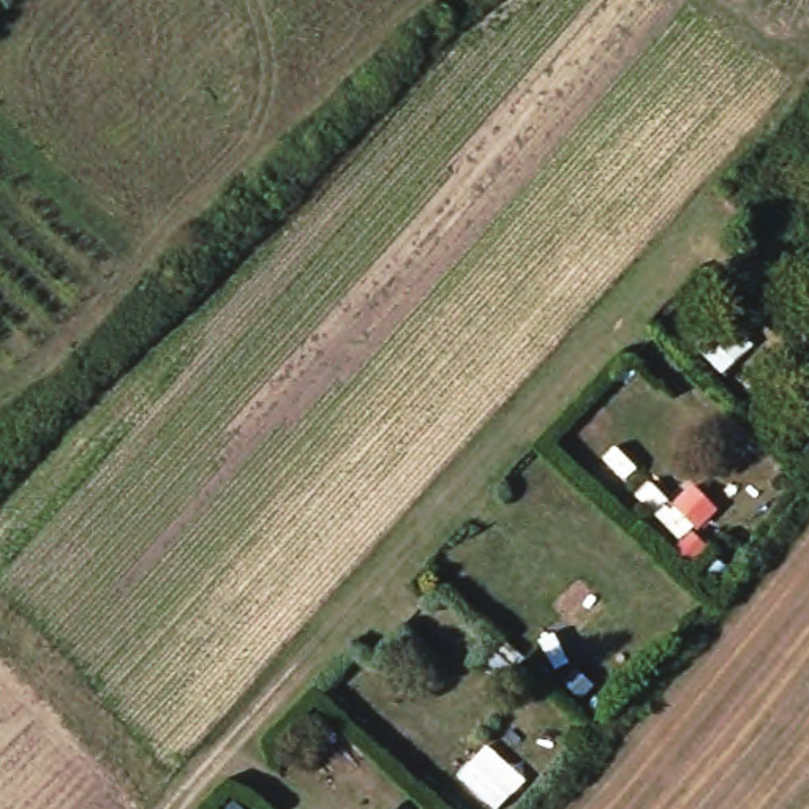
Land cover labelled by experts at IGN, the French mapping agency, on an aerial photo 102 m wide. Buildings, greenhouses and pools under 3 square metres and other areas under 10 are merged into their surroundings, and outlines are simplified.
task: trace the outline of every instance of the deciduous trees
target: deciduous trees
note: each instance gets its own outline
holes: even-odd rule
[[[724,193],[733,199],[733,205],[746,215],[755,202],[790,199],[790,228],[784,231],[781,256],[771,265],[765,284],[771,325],[765,329],[765,341],[752,341],[749,351],[739,354],[727,370],[714,370],[708,357],[739,341],[733,319],[743,307],[736,297],[727,294],[721,281],[724,262],[695,265],[689,278],[673,291],[673,297],[654,313],[654,325],[660,325],[673,338],[673,344],[692,360],[692,367],[686,367],[683,373],[692,382],[692,389],[702,389],[721,386],[733,395],[727,414],[736,414],[739,420],[752,423],[762,458],[774,458],[781,465],[781,474],[774,477],[774,490],[781,496],[793,502],[809,496],[809,92],[793,104],[790,114],[781,117],[774,133],[762,133],[758,126],[739,139],[736,152],[714,174]]]

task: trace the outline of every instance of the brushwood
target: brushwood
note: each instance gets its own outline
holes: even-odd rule
[[[692,484],[702,490],[708,480],[724,487],[733,474],[749,471],[762,458],[752,423],[739,420],[736,414],[727,414],[733,395],[721,386],[702,389],[705,398],[724,414],[708,417],[702,427],[689,433],[689,442],[683,449],[683,471],[692,477]]]
[[[528,493],[528,480],[521,474],[509,471],[506,477],[502,471],[496,471],[487,477],[490,506],[502,506],[506,499],[515,502]]]
[[[449,534],[442,534],[436,550],[439,556],[449,556],[455,547],[474,540],[490,528],[490,521],[465,518]]]
[[[629,733],[651,714],[664,711],[667,689],[717,645],[733,613],[752,600],[752,594],[765,585],[771,572],[784,566],[793,544],[800,537],[809,540],[809,496],[793,502],[781,496],[768,499],[765,521],[749,531],[749,537],[743,540],[743,547],[736,547],[730,563],[721,563],[714,550],[702,544],[702,553],[686,556],[679,550],[676,534],[657,518],[654,506],[638,499],[632,509],[623,509],[559,449],[563,433],[572,427],[572,420],[585,411],[591,398],[597,398],[626,370],[645,373],[632,348],[623,348],[616,357],[610,357],[600,367],[600,373],[578,392],[578,398],[534,442],[528,442],[547,471],[559,474],[581,496],[588,496],[660,569],[667,569],[670,578],[676,578],[692,594],[692,610],[683,619],[686,629],[673,632],[670,638],[660,638],[654,645],[642,642],[619,648],[626,660],[623,667],[607,670],[607,683],[600,686],[591,708],[578,711],[566,695],[553,692],[550,702],[563,705],[566,714],[559,727],[547,733],[547,739],[563,746],[563,768],[553,774],[553,784],[544,793],[534,781],[521,777],[521,787],[493,809],[572,809],[610,771]]]
[[[256,790],[240,784],[237,774],[221,777],[196,803],[196,809],[272,809]]]
[[[310,117],[297,120],[256,174],[231,177],[224,190],[215,196],[215,205],[171,237],[171,250],[158,256],[152,272],[145,272],[133,284],[133,291],[70,354],[70,360],[57,373],[32,382],[19,398],[0,408],[0,509],[51,458],[51,452],[63,446],[76,423],[92,414],[92,408],[117,382],[123,382],[171,332],[177,332],[190,316],[196,316],[215,294],[221,294],[228,281],[256,256],[259,246],[272,243],[313,199],[319,199],[329,190],[338,167],[351,161],[351,155],[373,136],[373,130],[386,130],[389,117],[408,101],[414,85],[423,82],[436,60],[442,60],[468,28],[474,28],[487,13],[499,9],[506,0],[433,0],[405,25],[386,28],[376,38],[379,51],[373,54],[373,60],[354,63],[351,76],[332,92],[332,98]]]
[[[411,594],[420,607],[417,616],[455,626],[468,638],[465,670],[480,679],[484,689],[493,689],[496,698],[502,698],[506,714],[518,717],[518,673],[512,667],[490,667],[490,657],[499,648],[509,648],[509,642],[449,588],[436,588],[433,563],[427,563],[411,578]]]
[[[673,370],[683,373],[686,367],[692,367],[692,360],[673,344],[673,338],[660,325],[654,325],[648,341],[670,360]]]
[[[439,673],[420,654],[417,642],[408,632],[398,638],[395,632],[386,632],[376,648],[360,648],[360,638],[351,645],[338,645],[332,654],[332,667],[313,683],[291,708],[284,708],[262,730],[262,771],[281,784],[288,771],[322,768],[316,755],[322,749],[322,727],[307,711],[316,708],[329,714],[335,702],[329,698],[329,686],[351,664],[363,673],[379,676],[379,686],[389,695],[398,695],[411,705],[423,705],[430,695],[436,695]]]
[[[363,749],[370,762],[401,790],[401,803],[411,803],[414,809],[449,809],[436,800],[433,790],[417,784],[389,752],[382,752],[354,724],[344,730],[348,746]]]

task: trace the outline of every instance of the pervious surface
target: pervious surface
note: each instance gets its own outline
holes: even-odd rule
[[[749,471],[733,474],[724,487],[724,493],[730,496],[730,509],[721,515],[717,528],[749,531],[765,521],[768,499],[781,496],[774,490],[774,477],[781,474],[781,465],[774,458],[762,458]]]
[[[196,809],[196,803],[221,777],[237,774],[262,771],[262,730],[284,708],[291,708],[313,683],[303,670],[297,670],[294,660],[269,683],[269,689],[253,702],[253,708],[218,739],[212,752],[205,752],[193,765],[193,771],[155,809]]]

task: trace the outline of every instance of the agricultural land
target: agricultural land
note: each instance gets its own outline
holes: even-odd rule
[[[629,733],[610,771],[572,809],[809,809],[809,540],[800,537],[793,544],[784,566],[771,572],[765,585],[752,594],[752,600],[733,613],[717,645],[667,689],[664,711],[651,714]]]
[[[758,44],[765,35],[796,38],[809,28],[809,0],[506,0],[499,9],[487,13],[474,28],[468,28],[442,60],[436,60],[423,82],[414,85],[408,101],[389,117],[386,130],[373,130],[373,136],[351,155],[351,161],[338,167],[329,190],[319,199],[313,199],[272,243],[259,246],[256,256],[228,281],[221,294],[215,294],[196,316],[190,316],[177,332],[171,332],[123,382],[117,382],[92,408],[92,414],[76,423],[63,446],[51,452],[51,458],[0,509],[0,809],[155,809],[193,771],[193,765],[205,752],[212,752],[218,739],[253,708],[253,702],[269,689],[269,683],[294,660],[300,648],[313,638],[313,629],[303,619],[319,607],[319,600],[360,563],[360,556],[376,544],[376,537],[408,509],[408,502],[427,487],[427,480],[468,442],[468,436],[493,414],[493,408],[499,408],[512,395],[512,389],[550,354],[550,348],[569,329],[569,322],[632,262],[632,256],[651,240],[651,234],[679,209],[679,202],[708,174],[714,174],[736,152],[739,139],[758,126],[768,107],[777,101],[781,70],[774,66],[774,57],[749,47]]]
[[[70,354],[133,291],[133,284],[145,272],[152,272],[158,256],[171,250],[171,237],[215,205],[215,196],[224,190],[231,177],[256,174],[297,120],[310,117],[332,98],[332,92],[351,76],[354,63],[373,60],[373,54],[379,51],[376,38],[386,28],[405,25],[433,0],[0,0],[0,408],[19,398],[32,382],[57,373],[70,360]]]

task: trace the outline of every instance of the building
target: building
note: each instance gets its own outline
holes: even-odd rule
[[[544,632],[540,648],[547,651],[553,667],[563,667],[566,651],[559,648],[559,638]]]
[[[493,749],[480,749],[461,768],[458,781],[490,809],[493,809],[521,787],[521,777]]]
[[[616,477],[629,477],[632,461],[619,449],[610,449],[604,455],[607,468]]]
[[[714,506],[702,490],[692,484],[683,484],[676,499],[664,496],[654,484],[645,484],[638,490],[638,499],[654,506],[657,518],[676,534],[679,550],[686,556],[702,553],[702,544],[695,528],[702,528],[711,518]]]
[[[588,692],[591,679],[575,676],[569,679],[569,692]]]
[[[739,341],[708,357],[714,370],[727,370],[739,354],[749,351],[752,341]]]

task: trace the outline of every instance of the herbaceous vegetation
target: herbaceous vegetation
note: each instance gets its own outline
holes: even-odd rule
[[[344,730],[354,724],[382,752],[389,752],[417,784],[433,790],[436,800],[449,809],[490,809],[458,781],[461,768],[480,749],[493,749],[521,777],[534,781],[544,793],[553,784],[553,774],[563,768],[563,746],[547,739],[547,733],[559,727],[566,714],[563,705],[550,702],[553,692],[566,695],[578,711],[591,708],[600,686],[607,683],[607,670],[623,667],[626,660],[619,648],[642,642],[654,645],[660,638],[670,638],[673,632],[686,629],[683,619],[692,610],[692,594],[676,578],[670,578],[667,569],[660,569],[588,496],[581,496],[559,474],[547,471],[528,442],[534,442],[578,398],[578,392],[600,373],[600,367],[610,357],[616,357],[623,348],[632,348],[645,373],[626,370],[597,398],[591,398],[585,411],[572,420],[572,427],[563,433],[559,449],[623,509],[632,509],[638,499],[638,490],[645,484],[654,484],[664,496],[676,499],[683,484],[692,484],[692,477],[683,471],[683,449],[689,442],[689,433],[702,427],[708,417],[724,414],[705,398],[702,389],[692,389],[692,382],[683,373],[673,370],[670,360],[648,341],[654,325],[654,313],[673,297],[673,291],[689,278],[695,265],[724,262],[721,281],[727,294],[736,297],[743,307],[733,319],[739,341],[752,341],[765,341],[765,329],[771,325],[765,284],[771,265],[781,256],[784,231],[790,228],[790,199],[755,202],[746,215],[733,205],[733,199],[724,193],[714,174],[708,174],[679,202],[679,209],[651,234],[651,240],[632,256],[632,262],[569,322],[569,329],[550,348],[550,354],[512,389],[512,395],[499,408],[493,408],[493,414],[468,436],[468,442],[427,480],[427,487],[408,502],[408,509],[376,537],[376,544],[360,556],[360,563],[319,600],[319,607],[303,619],[313,629],[313,638],[300,648],[294,660],[297,670],[303,670],[313,683],[332,667],[332,654],[338,645],[351,645],[360,638],[360,648],[376,648],[386,632],[395,632],[398,638],[408,632],[417,642],[420,654],[439,673],[436,695],[430,695],[423,705],[411,705],[398,695],[389,695],[379,686],[379,676],[363,673],[351,664],[329,686],[329,698],[335,702],[329,714],[316,708],[307,711],[322,727],[322,749],[316,755],[322,768],[288,771],[281,784],[262,771],[237,774],[240,784],[256,790],[272,809],[414,809],[411,803],[401,803],[401,790],[370,762],[363,749],[348,746]],[[619,449],[632,461],[629,477],[616,477],[607,468],[604,455],[610,449]],[[502,471],[506,477],[509,471],[521,474],[528,480],[528,493],[515,502],[506,499],[502,506],[490,506],[487,477],[496,471]],[[465,518],[490,521],[490,528],[474,540],[455,547],[449,556],[439,556],[436,550],[442,534],[449,534]],[[509,642],[509,648],[499,648],[490,657],[490,667],[512,667],[518,673],[518,717],[506,714],[502,698],[496,698],[493,689],[484,689],[480,679],[465,670],[468,638],[455,626],[417,616],[420,607],[411,594],[411,578],[427,563],[433,563],[436,588],[449,588]],[[563,667],[553,667],[547,651],[540,648],[544,632],[559,638],[559,648],[566,651]],[[569,679],[575,676],[591,679],[588,692],[569,692]]]
[[[717,528],[721,515],[730,509],[730,496],[724,493],[724,487],[708,480],[702,490],[714,506],[711,518],[702,528],[695,528],[702,544],[714,550],[721,563],[730,563],[736,547],[743,547],[743,540],[749,537],[749,531]]]
[[[781,117],[790,114],[793,104],[809,92],[809,28],[796,38],[765,35],[758,44],[749,47],[774,57],[774,66],[781,70],[777,101],[768,107],[758,126],[762,133],[774,133]]]

